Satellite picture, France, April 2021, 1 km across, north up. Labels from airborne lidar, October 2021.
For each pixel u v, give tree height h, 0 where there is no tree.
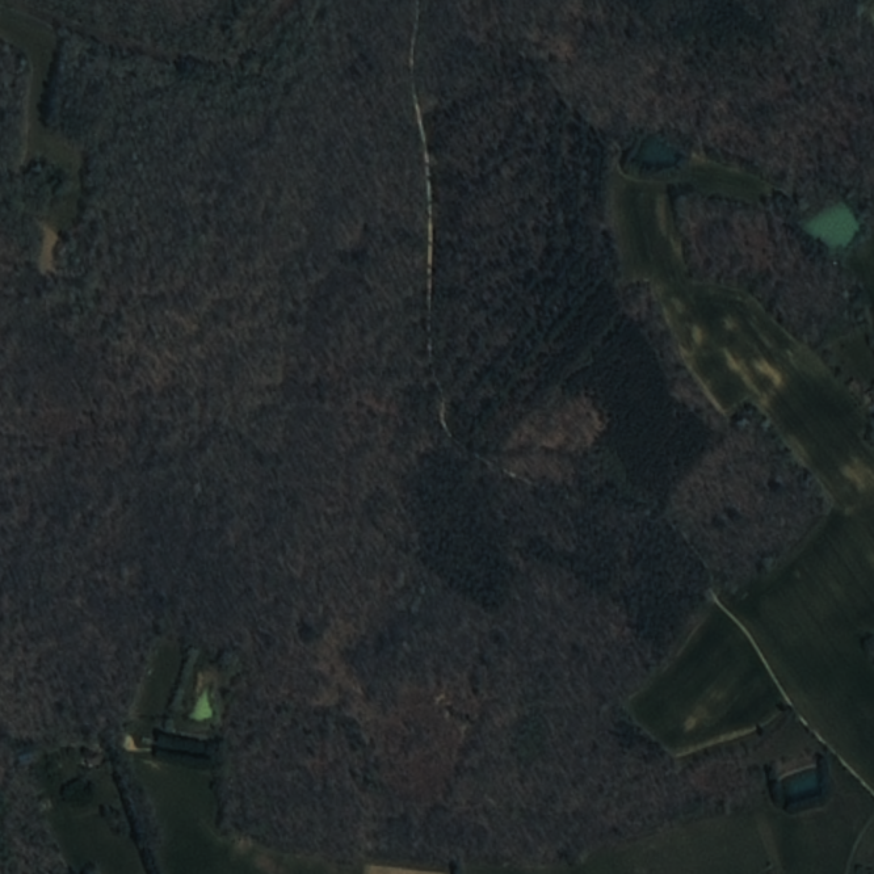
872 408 0
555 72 19
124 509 10
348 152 21
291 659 10
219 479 18
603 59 16
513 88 16
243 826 17
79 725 19
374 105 13
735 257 10
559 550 17
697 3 20
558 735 12
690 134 10
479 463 22
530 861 18
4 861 14
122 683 16
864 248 10
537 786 17
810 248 18
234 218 22
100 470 12
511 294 14
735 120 17
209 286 9
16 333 13
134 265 14
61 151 0
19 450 16
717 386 0
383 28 17
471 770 14
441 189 18
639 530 21
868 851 0
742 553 19
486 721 17
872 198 18
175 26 21
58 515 15
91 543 12
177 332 20
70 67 18
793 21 14
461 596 22
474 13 18
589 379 12
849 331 11
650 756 9
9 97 21
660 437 12
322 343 18
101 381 9
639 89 20
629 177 9
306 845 19
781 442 14
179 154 22
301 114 16
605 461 11
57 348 12
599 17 22
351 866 7
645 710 0
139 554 11
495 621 21
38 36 0
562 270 12
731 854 0
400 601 18
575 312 12
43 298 21
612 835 9
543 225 13
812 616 0
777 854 0
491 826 18
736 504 14
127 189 23
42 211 24
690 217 17
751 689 0
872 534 0
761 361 0
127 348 24
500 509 19
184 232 22
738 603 0
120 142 24
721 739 0
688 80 20
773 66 12
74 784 8
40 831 21
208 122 23
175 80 22
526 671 20
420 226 20
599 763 11
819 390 0
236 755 15
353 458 14
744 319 0
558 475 22
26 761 9
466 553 18
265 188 24
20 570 15
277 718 11
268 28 0
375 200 21
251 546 18
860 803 0
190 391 14
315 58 21
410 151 20
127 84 18
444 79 19
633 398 11
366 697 11
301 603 20
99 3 25
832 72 13
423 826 17
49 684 20
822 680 0
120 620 17
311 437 16
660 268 0
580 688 18
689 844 0
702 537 20
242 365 18
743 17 21
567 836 16
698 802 7
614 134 16
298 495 15
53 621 12
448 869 10
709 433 13
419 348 19
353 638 8
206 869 0
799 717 9
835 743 0
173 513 18
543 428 16
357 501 19
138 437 10
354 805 20
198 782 0
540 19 20
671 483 13
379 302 19
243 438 22
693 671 0
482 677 20
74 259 13
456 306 16
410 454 21
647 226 0
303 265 18
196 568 21
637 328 11
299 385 8
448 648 17
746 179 0
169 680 0
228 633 17
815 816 0
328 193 21
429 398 21
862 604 0
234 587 21
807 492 20
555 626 15
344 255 16
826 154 18
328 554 22
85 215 24
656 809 14
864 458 0
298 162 21
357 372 12
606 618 14
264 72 12
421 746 11
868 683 0
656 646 22
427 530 21
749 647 0
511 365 14
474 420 14
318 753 11
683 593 11
